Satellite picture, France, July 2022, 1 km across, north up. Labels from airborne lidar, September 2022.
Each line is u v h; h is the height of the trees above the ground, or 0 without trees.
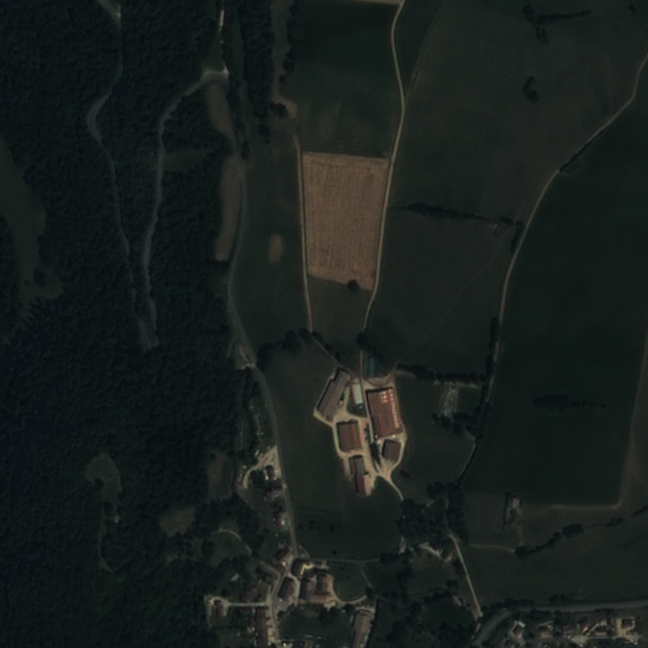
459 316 0
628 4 0
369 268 0
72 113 11
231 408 17
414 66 0
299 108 0
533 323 0
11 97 39
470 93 0
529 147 0
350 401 0
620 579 0
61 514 20
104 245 12
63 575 17
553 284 0
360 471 0
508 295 0
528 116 0
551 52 0
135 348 14
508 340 0
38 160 13
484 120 0
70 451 20
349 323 0
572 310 0
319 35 0
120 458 16
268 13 8
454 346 0
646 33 0
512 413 0
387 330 0
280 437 0
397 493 0
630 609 0
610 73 0
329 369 0
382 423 0
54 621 26
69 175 24
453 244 0
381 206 0
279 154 0
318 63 0
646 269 0
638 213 0
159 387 21
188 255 12
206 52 14
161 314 11
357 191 0
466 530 10
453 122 0
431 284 0
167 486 26
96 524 16
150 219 9
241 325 0
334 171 0
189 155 0
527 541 0
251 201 0
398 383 0
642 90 0
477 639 0
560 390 0
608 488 0
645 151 0
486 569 0
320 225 0
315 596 0
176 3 9
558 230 0
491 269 0
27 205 0
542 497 0
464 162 0
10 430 30
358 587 0
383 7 0
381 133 0
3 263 19
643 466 0
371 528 0
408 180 0
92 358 36
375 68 0
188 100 15
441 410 0
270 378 0
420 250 0
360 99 0
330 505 0
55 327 31
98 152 18
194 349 20
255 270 0
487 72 0
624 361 0
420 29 0
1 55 18
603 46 0
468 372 0
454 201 0
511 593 0
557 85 0
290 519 0
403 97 0
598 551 0
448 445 0
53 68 27
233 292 0
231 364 7
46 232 0
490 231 0
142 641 20
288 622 0
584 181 0
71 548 31
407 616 0
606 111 0
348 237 0
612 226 0
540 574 0
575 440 0
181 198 10
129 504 22
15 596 21
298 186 0
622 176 0
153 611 7
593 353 0
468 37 0
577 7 0
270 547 0
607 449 0
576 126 0
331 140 0
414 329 0
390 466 0
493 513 0
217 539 0
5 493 30
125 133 10
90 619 22
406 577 18
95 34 13
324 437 0
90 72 19
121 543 11
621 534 0
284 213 0
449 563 0
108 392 30
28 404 27
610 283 0
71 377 29
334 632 0
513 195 0
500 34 0
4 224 24
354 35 0
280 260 0
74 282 32
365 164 0
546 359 0
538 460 0
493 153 0
